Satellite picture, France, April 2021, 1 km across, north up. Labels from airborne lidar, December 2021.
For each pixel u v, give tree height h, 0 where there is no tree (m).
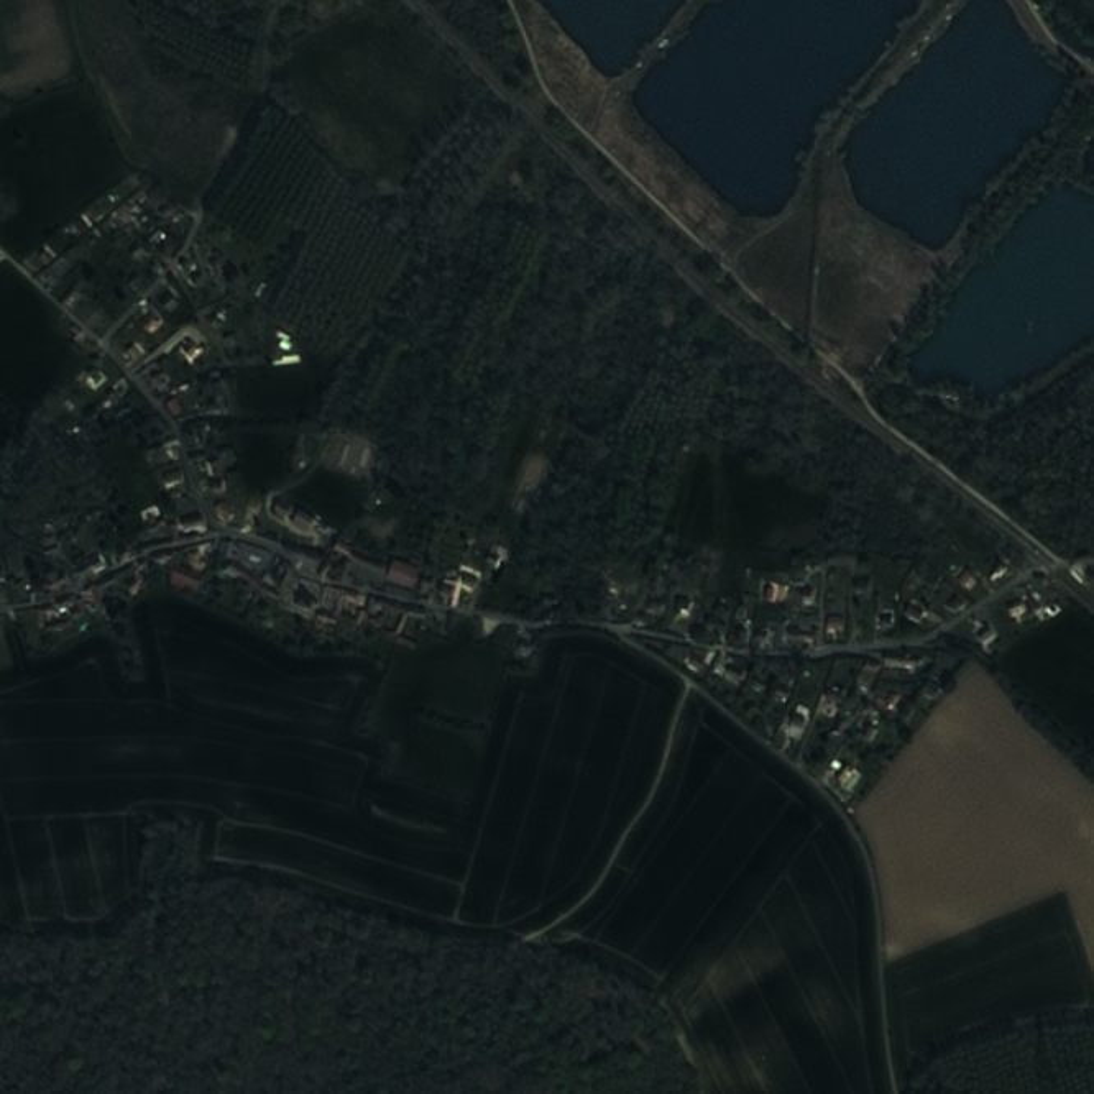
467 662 0
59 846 0
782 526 0
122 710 0
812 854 0
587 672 0
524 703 0
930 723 0
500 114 16
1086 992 0
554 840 0
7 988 11
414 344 21
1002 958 0
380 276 24
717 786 0
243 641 0
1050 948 0
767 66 0
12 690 0
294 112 23
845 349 0
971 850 0
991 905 0
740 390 25
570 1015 9
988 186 14
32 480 27
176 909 22
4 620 0
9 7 0
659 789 0
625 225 28
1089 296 0
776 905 0
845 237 0
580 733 0
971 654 7
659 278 10
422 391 16
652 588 6
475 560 0
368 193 8
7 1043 20
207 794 0
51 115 0
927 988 0
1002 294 0
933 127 0
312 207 23
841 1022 0
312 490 0
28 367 0
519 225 31
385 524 0
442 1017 20
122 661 9
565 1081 19
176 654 0
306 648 12
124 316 0
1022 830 0
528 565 28
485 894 0
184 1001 19
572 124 9
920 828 0
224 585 6
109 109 0
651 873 0
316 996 22
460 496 9
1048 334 0
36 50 0
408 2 0
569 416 11
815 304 0
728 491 0
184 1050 15
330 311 25
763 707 6
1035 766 0
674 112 0
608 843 0
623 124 0
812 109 0
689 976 0
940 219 0
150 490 0
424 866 0
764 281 0
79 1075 10
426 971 23
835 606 0
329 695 0
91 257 0
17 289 0
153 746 0
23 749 0
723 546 0
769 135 0
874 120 0
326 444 0
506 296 33
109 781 0
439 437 17
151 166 0
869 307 0
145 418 5
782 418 35
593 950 0
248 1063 19
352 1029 19
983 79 0
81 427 8
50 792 0
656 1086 9
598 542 22
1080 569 0
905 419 21
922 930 0
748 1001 0
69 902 0
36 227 0
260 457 0
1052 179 16
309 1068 17
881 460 23
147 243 15
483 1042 14
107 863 0
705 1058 0
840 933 0
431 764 0
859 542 8
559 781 0
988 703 0
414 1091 19
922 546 11
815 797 0
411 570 0
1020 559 15
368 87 0
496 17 8
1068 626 0
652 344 17
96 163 0
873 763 8
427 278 15
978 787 0
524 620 8
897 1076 0
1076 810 0
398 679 0
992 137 0
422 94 0
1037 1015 0
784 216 0
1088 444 31
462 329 24
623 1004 14
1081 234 0
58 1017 12
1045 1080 15
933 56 0
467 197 38
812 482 27
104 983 20
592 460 11
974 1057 28
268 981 22
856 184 0
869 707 8
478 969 11
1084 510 28
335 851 0
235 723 0
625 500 26
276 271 11
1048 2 23
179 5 10
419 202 8
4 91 0
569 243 32
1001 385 0
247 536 0
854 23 0
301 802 0
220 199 21
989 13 0
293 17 10
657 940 0
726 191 0
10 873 0
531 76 28
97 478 7
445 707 0
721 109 0
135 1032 12
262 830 0
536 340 25
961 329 0
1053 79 0
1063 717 0
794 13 0
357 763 0
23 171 0
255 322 13
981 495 7
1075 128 13
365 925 19
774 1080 0
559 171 6
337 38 0
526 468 0
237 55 24
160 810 0
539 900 0
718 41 0
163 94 0
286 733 0
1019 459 28
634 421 29
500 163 36
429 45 7
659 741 0
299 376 0
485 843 0
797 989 0
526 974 11
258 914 19
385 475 10
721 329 7
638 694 0
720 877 0
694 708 0
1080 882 0
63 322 0
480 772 0
